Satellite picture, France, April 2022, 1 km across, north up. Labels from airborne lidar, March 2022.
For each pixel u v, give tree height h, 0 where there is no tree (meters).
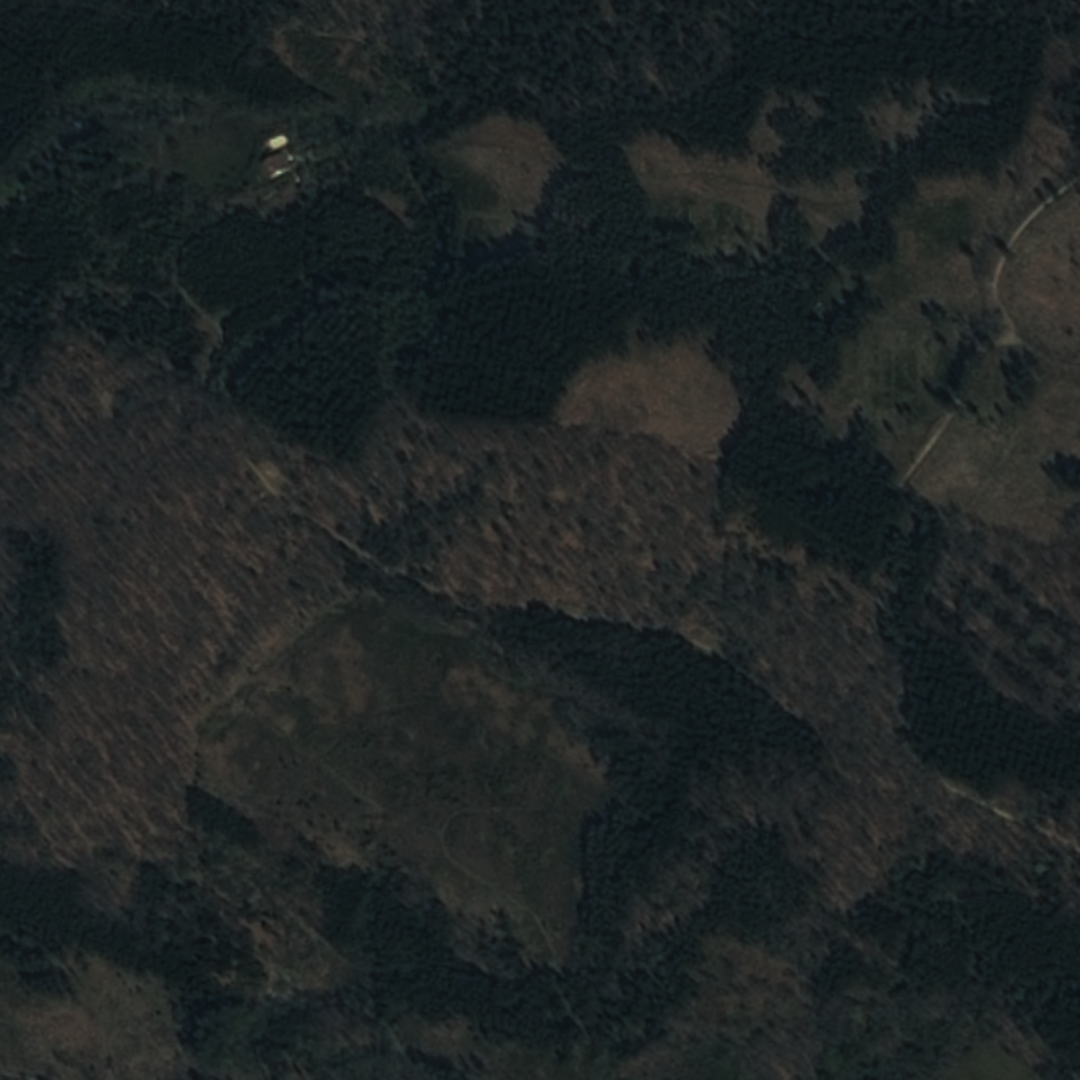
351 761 0
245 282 13
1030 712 20
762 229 0
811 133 29
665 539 20
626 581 20
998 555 29
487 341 31
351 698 0
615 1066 24
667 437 0
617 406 0
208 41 24
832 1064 26
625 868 24
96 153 31
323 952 0
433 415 26
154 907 21
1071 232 0
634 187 30
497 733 0
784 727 28
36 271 11
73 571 25
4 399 14
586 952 19
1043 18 22
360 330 31
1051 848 29
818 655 26
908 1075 20
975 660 19
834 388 31
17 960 37
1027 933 29
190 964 11
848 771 20
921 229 0
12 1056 0
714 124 25
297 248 15
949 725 30
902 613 25
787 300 30
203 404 28
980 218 0
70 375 30
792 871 22
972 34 32
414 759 0
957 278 0
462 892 0
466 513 29
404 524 19
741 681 28
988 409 0
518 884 0
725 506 19
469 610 29
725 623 21
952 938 31
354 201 15
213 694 28
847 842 26
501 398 26
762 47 24
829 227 0
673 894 26
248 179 0
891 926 27
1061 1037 33
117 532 22
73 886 25
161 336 12
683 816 27
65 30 18
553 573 24
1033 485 0
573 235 31
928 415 0
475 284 35
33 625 25
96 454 27
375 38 21
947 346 0
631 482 21
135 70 19
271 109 22
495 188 0
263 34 25
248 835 18
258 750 0
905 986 10
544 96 19
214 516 24
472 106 28
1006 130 31
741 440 0
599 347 28
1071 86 16
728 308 30
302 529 17
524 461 22
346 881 19
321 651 0
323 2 29
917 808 21
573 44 23
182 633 26
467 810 0
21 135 26
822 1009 23
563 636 25
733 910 23
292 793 0
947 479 0
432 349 16
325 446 30
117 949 27
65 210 6
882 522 37
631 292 29
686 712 25
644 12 22
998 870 27
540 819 0
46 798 0
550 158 30
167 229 11
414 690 0
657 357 32
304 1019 23
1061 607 20
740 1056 30
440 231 7
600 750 30
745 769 25
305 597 28
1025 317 0
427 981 29
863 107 29
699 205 0
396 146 12
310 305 14
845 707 29
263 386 28
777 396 34
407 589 22
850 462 26
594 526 21
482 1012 32
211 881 0
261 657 28
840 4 30
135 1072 0
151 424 30
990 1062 0
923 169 30
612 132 27
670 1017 25
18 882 24
